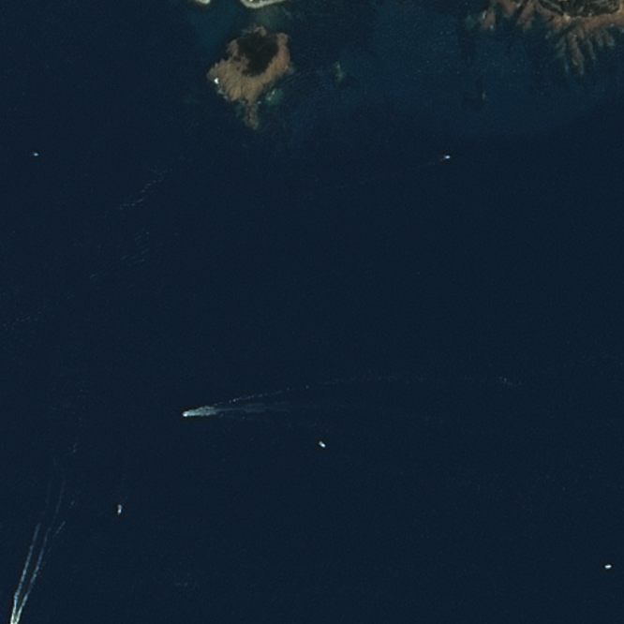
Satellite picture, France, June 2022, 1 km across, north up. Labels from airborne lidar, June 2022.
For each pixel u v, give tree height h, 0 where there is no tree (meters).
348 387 0
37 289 0
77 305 0
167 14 0
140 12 0
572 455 0
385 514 0
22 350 0
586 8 7
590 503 0
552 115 0
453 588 0
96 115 0
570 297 0
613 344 0
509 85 0
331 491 0
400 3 0
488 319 0
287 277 0
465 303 0
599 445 0
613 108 0
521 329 0
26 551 0
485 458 0
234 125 0
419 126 0
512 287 0
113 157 0
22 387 0
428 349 0
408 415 0
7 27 0
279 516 0
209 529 0
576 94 0
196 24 0
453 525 0
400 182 0
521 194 0
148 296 0
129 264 0
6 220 0
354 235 0
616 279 0
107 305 0
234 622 0
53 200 0
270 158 0
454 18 0
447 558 0
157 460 0
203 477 0
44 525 0
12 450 0
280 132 0
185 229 0
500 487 0
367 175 0
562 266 0
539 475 0
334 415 0
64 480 0
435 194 0
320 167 0
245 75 0
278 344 0
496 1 0
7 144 0
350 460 0
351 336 0
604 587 0
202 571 0
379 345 0
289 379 0
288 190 0
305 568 0
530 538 0
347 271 0
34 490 0
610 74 0
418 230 0
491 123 0
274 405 0
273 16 0
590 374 0
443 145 0
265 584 0
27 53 0
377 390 0
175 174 0
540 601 0
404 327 0
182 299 0
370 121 0
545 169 0
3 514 0
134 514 0
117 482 0
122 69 0
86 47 0
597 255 0
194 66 0
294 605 0
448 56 0
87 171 0
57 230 0
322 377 0
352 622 0
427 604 0
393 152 0
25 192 0
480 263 0
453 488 0
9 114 0
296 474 0
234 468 0
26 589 0
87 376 0
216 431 0
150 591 0
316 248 0
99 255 0
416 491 0
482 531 0
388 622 0
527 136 0
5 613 0
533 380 0
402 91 0
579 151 0
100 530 0
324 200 0
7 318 0
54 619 0
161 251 0
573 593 0
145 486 0
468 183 0
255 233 0
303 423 0
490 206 0
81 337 0
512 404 0
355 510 0
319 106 0
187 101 0
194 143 0
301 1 0
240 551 0
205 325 0
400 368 0
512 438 0
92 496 0
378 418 0
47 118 0
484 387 0
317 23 0
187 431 0
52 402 0
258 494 0
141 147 0
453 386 0
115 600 0
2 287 0
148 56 0
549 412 0
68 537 0
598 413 0
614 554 0
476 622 0
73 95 0
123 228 0
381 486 0
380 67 0
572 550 0
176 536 0
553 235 0
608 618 0
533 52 0
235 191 0
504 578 0
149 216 0
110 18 0
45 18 0
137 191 0
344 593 0
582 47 0
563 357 0
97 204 0
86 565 0
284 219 0
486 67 0
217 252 0
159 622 0
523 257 0
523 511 0
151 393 0
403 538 0
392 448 0
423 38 0
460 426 0
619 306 0
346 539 0
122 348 0
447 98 0
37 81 0
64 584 0
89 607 0
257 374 0
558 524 0
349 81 0
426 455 0
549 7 13
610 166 0
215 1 0
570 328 0
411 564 0
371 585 0
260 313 0
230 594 0
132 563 0
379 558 0
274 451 0
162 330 0
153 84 0
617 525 0
